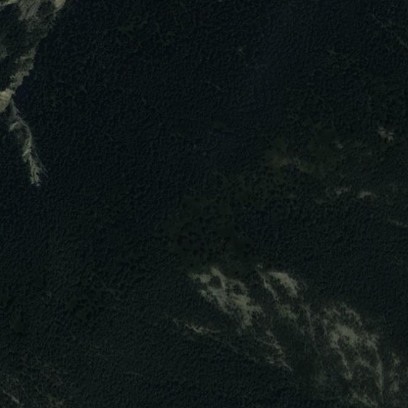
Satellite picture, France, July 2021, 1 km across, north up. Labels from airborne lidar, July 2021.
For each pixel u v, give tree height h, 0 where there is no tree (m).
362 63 16
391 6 22
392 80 7
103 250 27
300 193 12
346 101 21
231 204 6
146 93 28
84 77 27
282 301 8
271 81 24
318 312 6
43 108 26
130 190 15
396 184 10
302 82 21
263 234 16
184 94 23
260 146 17
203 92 22
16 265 30
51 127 13
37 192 22
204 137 20
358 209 16
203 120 24
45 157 12
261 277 7
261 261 6
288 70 26
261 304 7
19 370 27
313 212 15
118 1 17
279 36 33
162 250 18
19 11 9
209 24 21
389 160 16
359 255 18
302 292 8
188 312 11
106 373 22
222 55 33
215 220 14
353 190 9
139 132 28
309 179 12
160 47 20
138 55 10
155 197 15
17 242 24
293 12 7
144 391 24
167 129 23
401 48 16
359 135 20
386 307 21
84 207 15
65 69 33
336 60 12
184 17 19
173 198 21
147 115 27
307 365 10
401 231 19
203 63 16
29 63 7
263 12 36
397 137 13
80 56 24
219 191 20
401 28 7
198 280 8
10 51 11
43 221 24
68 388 12
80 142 15
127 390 26
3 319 28
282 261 17
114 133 27
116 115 15
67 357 22
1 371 12
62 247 30
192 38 19
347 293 15
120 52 22
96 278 18
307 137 15
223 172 11
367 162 11
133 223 23
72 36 9
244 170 14
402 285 23
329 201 12
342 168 11
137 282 23
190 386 11
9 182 24
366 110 23
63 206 26
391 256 16
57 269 20
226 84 29
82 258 28
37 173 0
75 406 18
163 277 10
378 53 15
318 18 31
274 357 7
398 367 9
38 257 28
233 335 9
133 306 21
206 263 7
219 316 10
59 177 25
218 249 7
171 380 24
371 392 6
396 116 20
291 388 9
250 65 34
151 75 34
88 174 25
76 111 10
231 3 15
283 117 21
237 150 24
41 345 15
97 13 18
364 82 8
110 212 26
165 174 25
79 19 24
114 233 28
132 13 11
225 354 24
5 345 21
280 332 9
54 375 16
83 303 16
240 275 12
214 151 26
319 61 26
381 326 8
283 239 27
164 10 18
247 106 25
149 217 25
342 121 20
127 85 29
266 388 13
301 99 9
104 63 26
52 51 35
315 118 12
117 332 22
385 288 24
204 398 22
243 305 0
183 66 22
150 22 20
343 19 22
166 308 23
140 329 20
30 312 23
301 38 30
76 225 24
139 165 27
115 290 17
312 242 16
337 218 18
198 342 12
